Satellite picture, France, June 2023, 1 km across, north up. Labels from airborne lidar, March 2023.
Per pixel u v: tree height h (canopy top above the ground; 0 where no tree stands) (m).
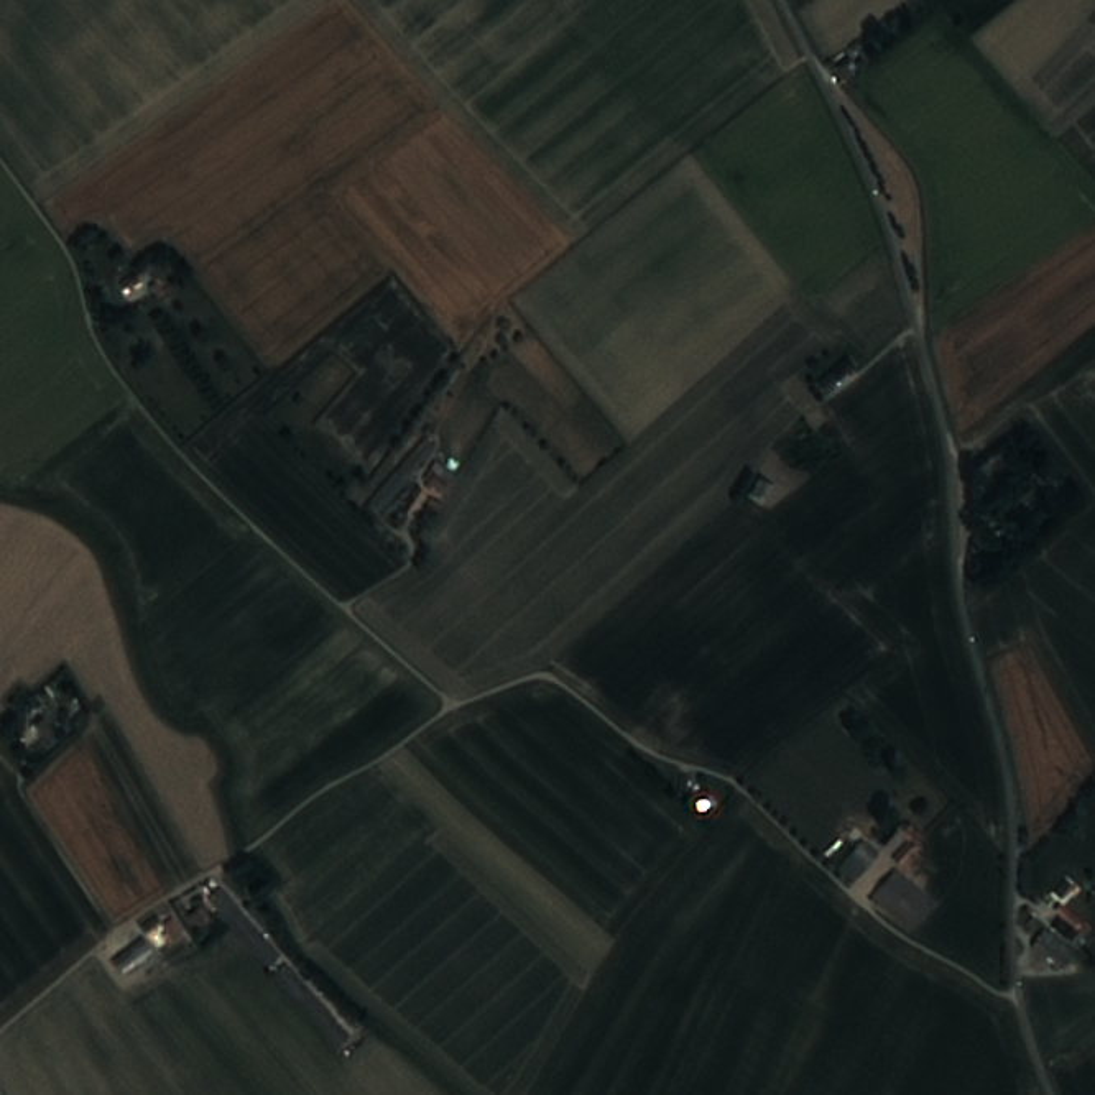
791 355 0
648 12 0
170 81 0
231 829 0
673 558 0
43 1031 0
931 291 0
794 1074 0
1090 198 0
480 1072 0
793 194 0
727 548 0
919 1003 0
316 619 0
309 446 0
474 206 0
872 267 0
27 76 0
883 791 0
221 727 0
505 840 0
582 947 0
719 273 0
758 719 0
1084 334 0
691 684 0
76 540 0
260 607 0
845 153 0
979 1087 0
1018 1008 0
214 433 0
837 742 0
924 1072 0
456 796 0
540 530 0
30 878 0
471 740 0
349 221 0
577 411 0
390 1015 0
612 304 0
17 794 0
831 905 0
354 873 0
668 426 0
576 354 0
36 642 0
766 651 0
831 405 0
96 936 0
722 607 0
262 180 0
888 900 0
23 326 0
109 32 0
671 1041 0
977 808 0
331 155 0
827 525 0
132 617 0
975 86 0
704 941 0
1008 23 0
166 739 0
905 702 0
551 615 0
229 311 0
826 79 0
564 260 0
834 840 0
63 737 11
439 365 0
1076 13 0
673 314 0
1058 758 0
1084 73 0
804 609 0
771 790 0
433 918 0
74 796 0
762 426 0
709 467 0
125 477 0
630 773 0
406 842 0
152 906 0
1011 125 0
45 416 0
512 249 0
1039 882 0
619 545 0
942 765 0
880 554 0
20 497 0
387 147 0
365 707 0
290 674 0
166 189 0
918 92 0
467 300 0
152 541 0
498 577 0
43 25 0
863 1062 0
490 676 0
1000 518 16
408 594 0
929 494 0
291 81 0
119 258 14
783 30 0
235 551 0
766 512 0
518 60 0
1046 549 0
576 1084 0
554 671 0
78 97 0
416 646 0
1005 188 0
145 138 0
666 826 0
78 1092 0
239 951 0
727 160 0
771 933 0
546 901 0
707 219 0
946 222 0
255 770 0
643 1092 0
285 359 0
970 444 0
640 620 0
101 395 0
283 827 0
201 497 0
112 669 0
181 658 0
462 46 0
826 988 0
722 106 0
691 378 0
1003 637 0
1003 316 0
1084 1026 0
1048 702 0
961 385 0
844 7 0
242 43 0
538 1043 0
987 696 0
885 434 0
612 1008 0
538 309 0
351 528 0
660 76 0
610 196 0
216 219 0
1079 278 0
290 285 0
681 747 0
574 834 0
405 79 0
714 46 0
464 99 0
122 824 0
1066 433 0
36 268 0
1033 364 0
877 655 0
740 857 0
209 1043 0
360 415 0
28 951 0
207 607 0
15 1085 0
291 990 0
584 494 0
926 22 0
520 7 0
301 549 0
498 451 0
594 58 0
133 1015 0
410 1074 0
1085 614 0
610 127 0
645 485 0
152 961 0
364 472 13
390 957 0
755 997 0
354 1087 0
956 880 0
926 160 0
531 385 0
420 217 0
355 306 0
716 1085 0
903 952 0
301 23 0
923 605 0
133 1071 0
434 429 0
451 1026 0
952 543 0
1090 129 0
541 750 0
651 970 0
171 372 0
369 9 0
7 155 0
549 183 0
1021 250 0
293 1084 0
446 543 0
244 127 0
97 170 0
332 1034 0
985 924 0
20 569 0
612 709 0
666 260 0
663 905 0
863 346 0
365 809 0
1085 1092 0
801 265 0
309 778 0
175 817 0
